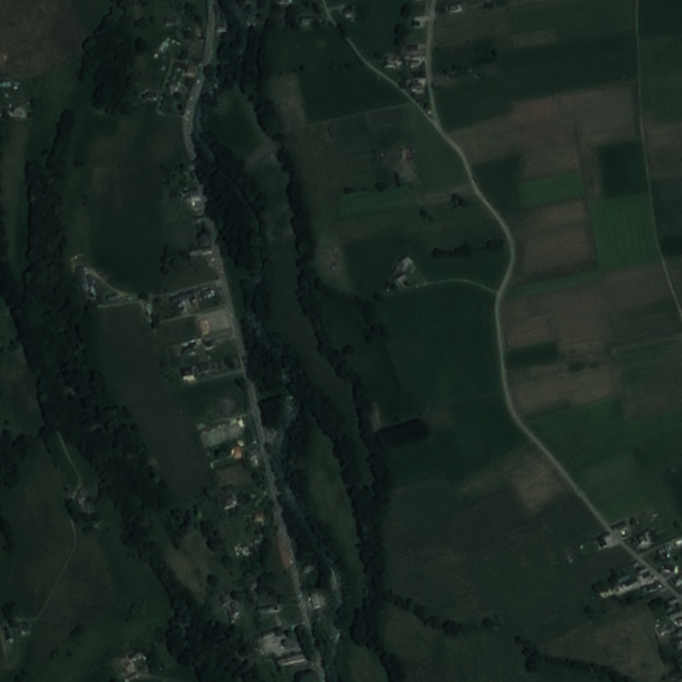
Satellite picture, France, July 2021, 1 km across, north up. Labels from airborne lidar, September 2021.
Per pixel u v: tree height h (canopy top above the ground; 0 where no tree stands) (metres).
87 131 0
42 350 36
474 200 0
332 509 0
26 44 0
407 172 0
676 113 0
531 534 0
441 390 0
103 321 0
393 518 0
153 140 0
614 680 16
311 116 0
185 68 8
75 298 11
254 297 18
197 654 25
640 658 0
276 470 13
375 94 0
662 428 0
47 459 0
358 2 0
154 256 0
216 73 18
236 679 29
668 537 0
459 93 0
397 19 0
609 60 0
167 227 0
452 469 0
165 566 16
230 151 21
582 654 0
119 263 0
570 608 0
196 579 0
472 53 0
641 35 0
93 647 0
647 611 0
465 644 0
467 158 0
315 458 0
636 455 0
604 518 0
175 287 0
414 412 0
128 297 0
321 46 0
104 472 17
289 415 0
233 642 27
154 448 0
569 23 0
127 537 8
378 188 8
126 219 0
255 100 23
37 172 32
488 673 0
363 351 0
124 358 0
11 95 0
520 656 0
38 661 0
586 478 0
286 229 0
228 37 19
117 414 29
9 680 0
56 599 0
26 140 0
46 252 30
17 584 0
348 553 0
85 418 36
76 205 0
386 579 18
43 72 0
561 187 0
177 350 0
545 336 0
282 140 19
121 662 0
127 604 0
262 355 14
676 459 0
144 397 0
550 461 0
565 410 0
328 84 0
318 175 0
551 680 0
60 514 0
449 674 0
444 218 0
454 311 0
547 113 0
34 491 0
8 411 0
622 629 0
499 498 0
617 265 0
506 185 0
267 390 6
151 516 28
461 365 0
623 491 0
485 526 0
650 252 0
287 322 0
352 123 0
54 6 0
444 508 0
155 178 0
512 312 0
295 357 22
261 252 18
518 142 0
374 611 25
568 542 0
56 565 0
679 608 10
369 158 0
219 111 0
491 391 0
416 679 0
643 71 0
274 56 0
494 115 0
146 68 0
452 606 0
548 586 0
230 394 0
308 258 19
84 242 0
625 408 0
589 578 0
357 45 0
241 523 0
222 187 17
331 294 9
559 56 0
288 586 0
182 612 27
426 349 0
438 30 0
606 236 0
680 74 0
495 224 0
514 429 0
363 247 0
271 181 0
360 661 0
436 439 0
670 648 0
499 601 0
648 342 0
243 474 0
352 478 25
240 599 22
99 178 0
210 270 0
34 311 33
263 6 12
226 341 0
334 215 0
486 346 0
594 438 0
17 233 0
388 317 0
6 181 0
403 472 0
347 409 0
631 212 0
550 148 0
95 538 0
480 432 0
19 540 0
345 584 6
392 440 30
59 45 0
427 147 0
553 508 0
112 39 30
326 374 0
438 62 0
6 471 24
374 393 0
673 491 0
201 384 0
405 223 0
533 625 0
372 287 0
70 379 36
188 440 0
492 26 0
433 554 0
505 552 0
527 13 0
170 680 0
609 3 0
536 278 0
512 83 0
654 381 0
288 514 17
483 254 0
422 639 0
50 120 0
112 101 35
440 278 0
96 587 0
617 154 0
